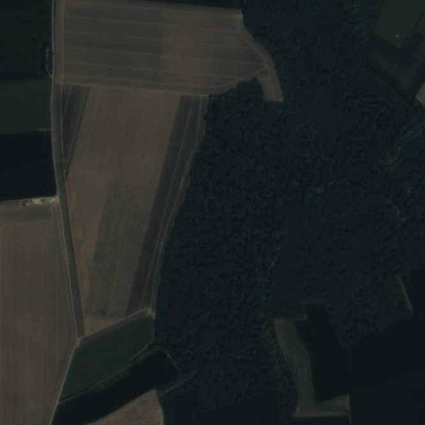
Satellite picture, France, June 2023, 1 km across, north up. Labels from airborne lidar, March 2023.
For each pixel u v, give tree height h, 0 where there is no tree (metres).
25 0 0
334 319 21
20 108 0
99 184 0
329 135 22
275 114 17
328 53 21
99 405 0
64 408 0
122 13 0
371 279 21
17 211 0
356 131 26
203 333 26
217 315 19
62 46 0
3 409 0
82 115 0
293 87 21
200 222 29
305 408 0
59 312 0
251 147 24
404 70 0
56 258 0
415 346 0
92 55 0
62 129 0
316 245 23
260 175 22
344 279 22
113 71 0
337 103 17
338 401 0
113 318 0
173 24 0
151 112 0
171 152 0
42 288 0
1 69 0
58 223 0
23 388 0
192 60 0
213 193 29
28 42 0
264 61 0
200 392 19
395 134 21
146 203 0
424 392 0
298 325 0
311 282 23
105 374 0
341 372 0
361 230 21
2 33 0
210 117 17
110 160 0
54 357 0
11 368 0
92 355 0
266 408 0
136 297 0
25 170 0
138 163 0
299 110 19
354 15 11
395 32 0
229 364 24
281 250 18
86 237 0
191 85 0
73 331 0
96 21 0
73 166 0
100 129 0
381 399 0
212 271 27
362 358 0
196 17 0
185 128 0
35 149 0
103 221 0
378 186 23
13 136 0
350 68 19
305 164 29
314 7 26
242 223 15
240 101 26
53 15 0
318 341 0
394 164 11
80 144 0
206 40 0
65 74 0
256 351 27
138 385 0
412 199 13
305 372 0
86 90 0
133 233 0
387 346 0
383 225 26
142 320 0
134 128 0
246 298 19
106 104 0
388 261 26
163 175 0
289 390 12
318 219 21
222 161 26
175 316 26
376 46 0
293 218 21
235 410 0
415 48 0
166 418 0
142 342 0
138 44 0
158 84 0
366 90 18
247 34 0
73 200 0
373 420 0
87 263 0
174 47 0
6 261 0
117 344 0
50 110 0
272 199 23
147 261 0
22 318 0
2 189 0
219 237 33
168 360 0
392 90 23
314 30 22
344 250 24
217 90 0
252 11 16
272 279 25
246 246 14
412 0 0
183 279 27
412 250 19
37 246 0
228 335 27
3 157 0
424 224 21
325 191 22
